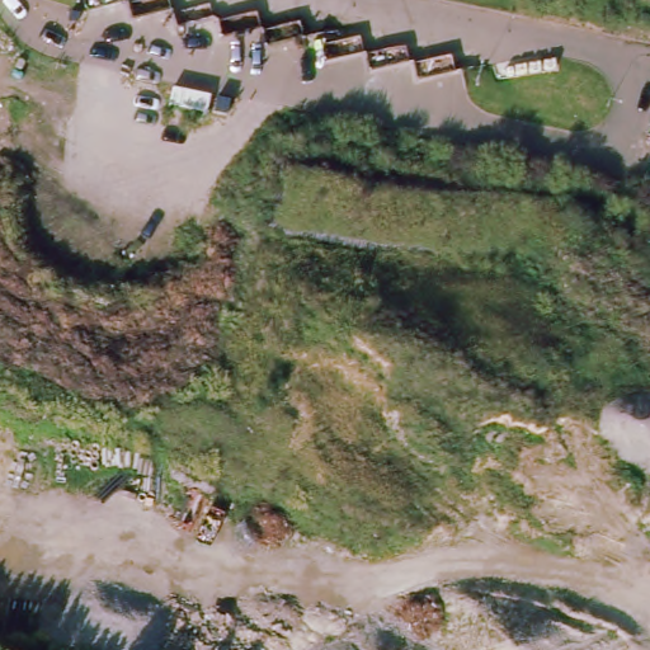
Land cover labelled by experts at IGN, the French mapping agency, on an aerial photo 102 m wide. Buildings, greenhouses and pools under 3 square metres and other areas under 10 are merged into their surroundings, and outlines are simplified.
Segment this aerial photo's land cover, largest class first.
<instances>
[{"label":"brushwood","instance_id":"1","mask_svg":"<svg viewBox=\"0 0 650 650\"><path fill-rule=\"evenodd\" d=\"M157 122L165 129L173 124L188 135L198 127L201 114V109L196 107L185 109L183 104H173L157 112ZM25 183L38 185L36 160L25 150H0V432H10L15 439V444L8 449V460L23 465L20 485L13 490L18 495L38 498L48 490H79L84 495L107 500L117 490H124L135 498H152L155 513H163L168 521L178 523H193L196 508L211 510V518L216 521L229 518L231 523H244L249 508L259 500H267L289 513V518L295 521V533L305 538H325L340 548H348L350 554L368 551L373 561L391 559L411 546H419L424 536L437 526L472 523L477 513H485L500 531L515 536L523 543L538 546L556 559H571L574 543L564 536H551L543 528V523L533 515L536 498L528 495L518 482H513L521 452L526 447L543 444V434L548 429L543 424L559 416H574L566 427L569 434L581 427L584 442L589 447H599L602 460L609 465V470L632 482V493L627 498L630 505L637 508L642 495L650 498V475H645L637 465L620 457L617 447L602 434L599 416L602 409L612 404L637 419H650V239L635 223V216L627 213L625 218H617L607 211L594 218V231L589 236H579L561 221L556 193L548 188L477 185L462 173L454 180H444L424 173L381 170L376 165L361 168L335 155L284 152L277 155L269 165H262L259 152L249 145L218 175V183L211 193V206L203 211L198 221H183L173 211H152V216L142 226L135 239L114 249L107 264L129 269L135 262L142 259H160L168 269L165 287H137L124 282L96 284L91 292H86L71 277L58 279L51 269H43L38 264L33 254L25 251L23 239L18 236L23 206L15 201V190ZM211 366L229 376V399H173V391L188 388L190 378L203 376Z\"/></svg>","mask_w":650,"mask_h":650},{"label":"pervious surface","instance_id":"2","mask_svg":"<svg viewBox=\"0 0 650 650\"><path fill-rule=\"evenodd\" d=\"M20 56L8 58L5 53H0V150H25L36 160L38 185L25 183L15 190V201L23 206L18 236L23 239L25 251L33 254L38 264L43 269H51L58 279L71 277L86 292H91L96 284L124 282L137 287H165L168 269L160 259H142L135 262L129 269L107 264L114 249L135 239L142 226L135 216L114 218L107 213H96L86 201L69 193L58 180L63 175L69 117L76 109V84L61 79L38 81L30 74L23 76ZM5 96L25 102L33 109L30 117H25L20 124H10V109L3 107ZM602 434L617 447L620 457L637 465L645 475H650V419H637L612 404L602 409L599 416ZM574 416H559L543 424L548 429L543 434V444L526 447L521 452L513 482H518L528 495L536 498L533 515L543 523V528L551 536H564L574 543L571 559H556L538 546L523 543L515 536L500 531L485 513H477L472 523L437 526L424 536L419 546H411L391 559L373 561L368 551L350 554L348 548H340L325 538H305L295 533V521L289 518V513L267 500H259L249 508L244 523H231L229 518L216 521L211 518V510L196 508L193 523H178L168 521L163 513H155L152 498H135L124 490H117L107 500L84 495L79 490H48L38 498L18 495L13 490L20 485L23 465L8 460V449L15 444V439L10 432H0V650H650V498L642 495L637 508L630 505L627 498L632 493V482L609 470V465L602 460L599 447H589L584 442L581 427L569 434L566 427Z\"/></svg>","mask_w":650,"mask_h":650},{"label":"impervious surface","instance_id":"3","mask_svg":"<svg viewBox=\"0 0 650 650\"><path fill-rule=\"evenodd\" d=\"M76 0H0V5L3 13L13 20L23 43H28L33 51L46 53L51 61L79 66L76 84V109L69 117L63 175L58 180L69 193L86 201L96 213H107L114 218L135 216L142 226L152 216V211H173L183 221H198L203 211L211 206V193L218 183V175L249 145L251 135L264 124L269 114L302 104L315 119L325 114H358L368 117L383 132L409 129L419 137H442L452 145L508 142L541 163L564 157L571 165L589 168L594 173L607 175L609 180H627L650 173V30H609L599 25L579 28L559 15L531 20L526 15L510 13L515 0H127L117 5H99L84 10L76 20L71 18V5ZM244 18L251 20L254 30H221L226 20ZM289 20L302 23L295 25V41L269 43L264 38L267 25H279ZM317 36L325 41L361 36L366 51L396 46L399 51L406 48L411 61L373 69L368 66L366 51L330 56L325 61V69H315V51L310 38ZM442 53H452L457 71L439 76H416V58H432ZM546 58L556 61L566 58L589 63L609 81L612 109L597 127L576 124L571 129H551L543 127L536 112L518 109H510L500 117L485 114L467 94L465 69H477L480 61H490L495 69L500 63L518 66ZM178 86L208 91L218 109L201 114L198 127L188 135L173 124L165 129L157 122V112L173 104L170 91Z\"/></svg>","mask_w":650,"mask_h":650},{"label":"deciduous trees","instance_id":"4","mask_svg":"<svg viewBox=\"0 0 650 650\"><path fill-rule=\"evenodd\" d=\"M510 13L526 15L531 20L559 15L579 28L599 25L609 30H650V0H515ZM249 145L259 152L262 165H269L277 155L284 152L335 155L361 168L376 165L381 170L424 173L444 180H454L462 173L477 185L548 188L556 193L561 221L579 236H589L594 231V218L607 211L617 218H625L627 213L635 216V223L650 239V173L627 180H609L607 175L594 173L589 168L571 165L564 157L541 163L508 142L452 145L442 137H419L409 129L383 132L368 117L358 114H325L315 119L302 104L269 114L264 124L251 135ZM229 399V376L211 366L203 376L190 378L188 388L173 391V399Z\"/></svg>","mask_w":650,"mask_h":650},{"label":"herbaceous vegetation","instance_id":"5","mask_svg":"<svg viewBox=\"0 0 650 650\"><path fill-rule=\"evenodd\" d=\"M0 53H5L8 58L20 56L23 76L30 74L38 81L61 79L76 84L79 66L51 61L46 53L33 51L28 43H23L13 20L3 13L0 5ZM559 69L551 74L515 79H503L495 69L490 61H480L477 69H465L467 94L485 114L500 117L510 109H518L536 112L543 127L551 129H571L576 124L597 127L612 109L609 81L589 63L566 58L556 61ZM3 107L10 109V124H20L25 117H30L33 109L25 102L5 96Z\"/></svg>","mask_w":650,"mask_h":650},{"label":"building","instance_id":"6","mask_svg":"<svg viewBox=\"0 0 650 650\"><path fill-rule=\"evenodd\" d=\"M127 0H76L71 5V18L76 20L84 10L99 5H117ZM221 30H254L251 20L244 18L226 20ZM295 25L302 23L289 20L279 25H267L264 38L269 43L295 41ZM315 51V69H325V61L330 56L366 51L361 36L325 41L317 36L310 38ZM368 66L373 69L411 61L406 48L399 51L396 46L366 51ZM416 76H439L457 71L452 53H442L432 58H416ZM559 69L556 61L546 58L518 66L500 63L495 69L503 79H515L551 74ZM173 104H183L185 109L196 107L201 109V114L218 109L208 91L178 86L170 91Z\"/></svg>","mask_w":650,"mask_h":650}]
</instances>
